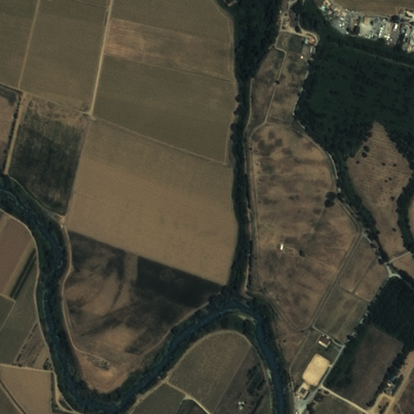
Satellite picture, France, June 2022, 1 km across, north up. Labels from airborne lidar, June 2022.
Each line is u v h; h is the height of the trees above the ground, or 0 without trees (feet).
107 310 0
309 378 0
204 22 0
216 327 32
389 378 47
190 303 0
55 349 75
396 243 0
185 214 0
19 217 21
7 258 0
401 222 55
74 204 0
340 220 0
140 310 0
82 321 0
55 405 21
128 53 0
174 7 0
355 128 46
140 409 0
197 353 0
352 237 0
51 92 0
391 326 46
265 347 0
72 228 0
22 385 0
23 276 0
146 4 0
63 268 19
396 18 40
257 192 0
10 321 0
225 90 0
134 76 0
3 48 0
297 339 0
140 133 0
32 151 0
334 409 0
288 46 0
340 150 37
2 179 30
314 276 0
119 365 0
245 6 78
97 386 0
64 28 0
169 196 0
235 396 0
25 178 0
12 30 0
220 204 0
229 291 77
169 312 0
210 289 0
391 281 38
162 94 0
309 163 0
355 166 0
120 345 0
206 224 0
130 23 0
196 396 0
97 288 0
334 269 0
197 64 0
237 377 0
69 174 0
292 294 0
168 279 0
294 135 0
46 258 31
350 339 52
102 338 0
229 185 0
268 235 0
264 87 0
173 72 0
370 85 18
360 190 0
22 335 0
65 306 0
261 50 36
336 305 0
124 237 0
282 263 0
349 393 0
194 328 0
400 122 18
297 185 0
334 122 20
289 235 0
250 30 23
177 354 24
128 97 0
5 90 0
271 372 0
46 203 0
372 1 0
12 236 0
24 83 0
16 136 0
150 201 0
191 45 0
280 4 46
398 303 25
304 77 0
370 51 26
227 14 0
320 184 0
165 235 0
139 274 0
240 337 0
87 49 0
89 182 0
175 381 0
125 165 0
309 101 25
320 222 0
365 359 0
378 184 0
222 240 0
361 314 0
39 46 0
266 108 0
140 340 0
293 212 0
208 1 0
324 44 26
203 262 0
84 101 0
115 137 0
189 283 0
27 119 0
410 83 26
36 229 39
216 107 0
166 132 0
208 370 0
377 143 0
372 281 0
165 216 0
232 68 0
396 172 0
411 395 0
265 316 34
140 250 0
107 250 0
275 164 0
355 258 0
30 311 0
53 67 0
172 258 0
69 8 0
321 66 20
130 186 0
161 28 0
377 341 0
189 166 0
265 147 0
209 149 0
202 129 0
